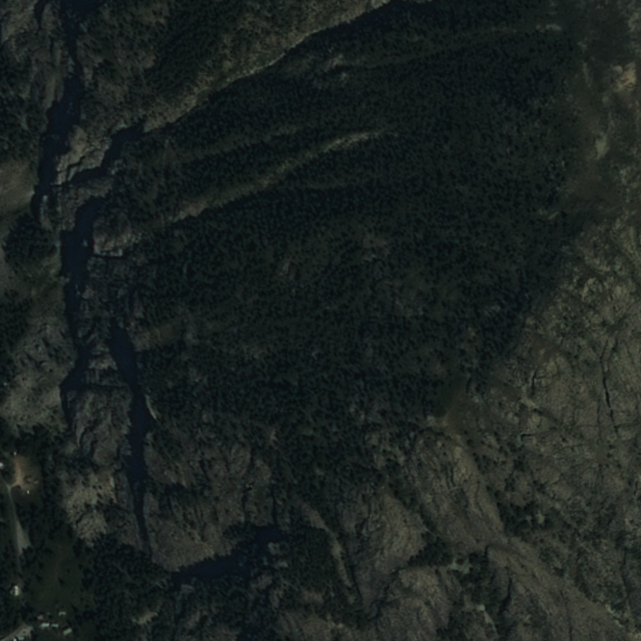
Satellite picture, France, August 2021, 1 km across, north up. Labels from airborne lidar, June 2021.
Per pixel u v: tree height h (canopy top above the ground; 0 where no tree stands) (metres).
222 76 6
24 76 8
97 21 14
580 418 0
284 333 9
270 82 6
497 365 0
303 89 6
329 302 8
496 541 0
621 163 0
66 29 13
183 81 10
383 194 7
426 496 0
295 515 20
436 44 11
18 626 11
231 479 9
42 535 20
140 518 6
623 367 0
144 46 11
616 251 0
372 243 7
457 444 0
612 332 0
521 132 8
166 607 9
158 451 19
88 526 0
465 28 6
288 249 15
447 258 15
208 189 13
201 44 24
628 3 0
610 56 0
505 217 10
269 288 7
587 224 0
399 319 7
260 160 13
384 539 0
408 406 13
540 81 11
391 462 16
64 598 0
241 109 9
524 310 11
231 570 18
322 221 10
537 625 6
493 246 9
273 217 8
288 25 9
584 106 0
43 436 18
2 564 17
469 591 8
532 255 7
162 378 8
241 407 9
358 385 0
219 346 13
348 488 8
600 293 0
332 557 17
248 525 11
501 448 7
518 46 7
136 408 9
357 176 6
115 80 21
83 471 8
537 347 0
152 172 0
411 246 8
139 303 0
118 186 6
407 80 8
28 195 0
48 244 9
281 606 6
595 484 8
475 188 14
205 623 27
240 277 9
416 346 12
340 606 9
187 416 18
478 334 6
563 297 0
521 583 0
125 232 0
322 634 0
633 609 6
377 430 12
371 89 6
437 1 7
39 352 0
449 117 7
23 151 13
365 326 8
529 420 0
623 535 8
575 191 0
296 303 9
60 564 0
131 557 12
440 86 7
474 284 10
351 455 8
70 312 6
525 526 19
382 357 8
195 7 22
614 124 0
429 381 7
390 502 0
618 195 0
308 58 7
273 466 17
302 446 22
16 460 0
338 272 11
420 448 0
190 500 19
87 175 0
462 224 13
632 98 0
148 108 7
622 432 0
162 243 16
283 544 25
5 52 11
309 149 9
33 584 8
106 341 7
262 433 13
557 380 0
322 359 14
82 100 14
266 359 6
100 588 13
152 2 13
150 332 13
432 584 0
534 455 0
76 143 0
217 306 10
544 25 0
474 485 0
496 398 0
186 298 12
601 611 0
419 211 7
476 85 7
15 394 0
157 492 12
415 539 0
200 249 15
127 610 9
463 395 0
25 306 11
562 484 0
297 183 21
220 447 6
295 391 17
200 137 16
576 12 0
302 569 13
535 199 13
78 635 22
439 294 9
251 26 9
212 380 7
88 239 10
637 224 0
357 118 7
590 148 0
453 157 7
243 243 13
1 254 0
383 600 9
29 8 0
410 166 11
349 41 8
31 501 0
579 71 0
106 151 0
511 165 7
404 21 9
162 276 8
